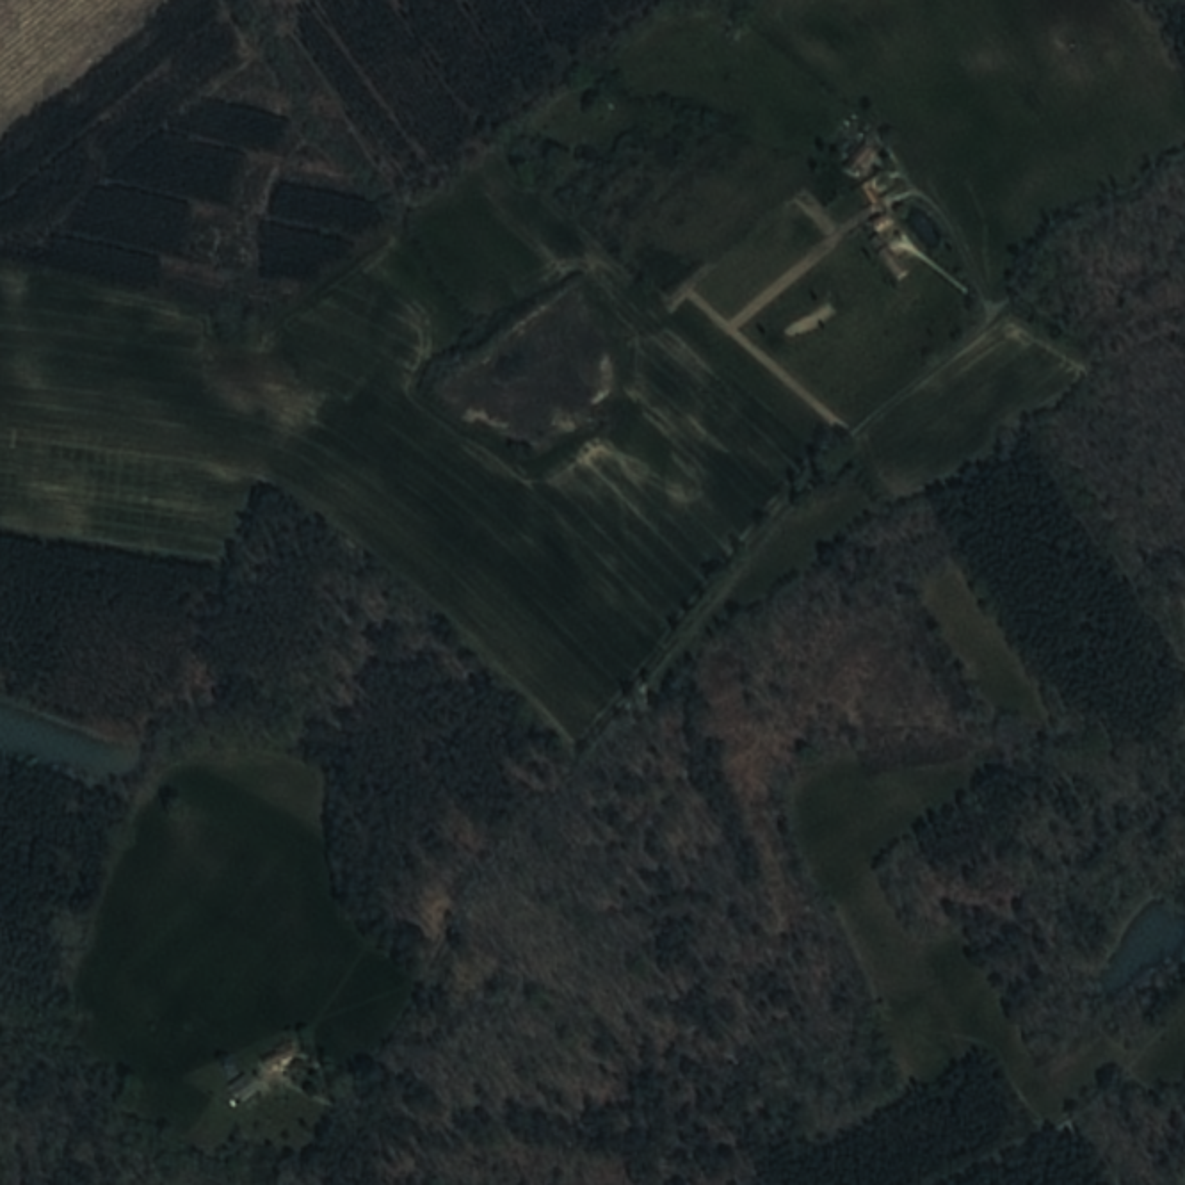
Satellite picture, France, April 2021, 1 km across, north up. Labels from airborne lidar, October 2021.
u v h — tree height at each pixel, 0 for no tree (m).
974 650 0
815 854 0
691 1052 17
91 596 16
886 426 0
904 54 0
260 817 0
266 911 0
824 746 20
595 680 0
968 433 0
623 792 15
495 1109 18
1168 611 19
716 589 14
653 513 0
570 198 10
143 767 7
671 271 0
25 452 0
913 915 16
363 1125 20
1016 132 0
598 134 0
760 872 25
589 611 0
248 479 0
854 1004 14
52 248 9
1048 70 0
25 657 17
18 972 18
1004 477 18
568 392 0
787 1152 19
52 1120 11
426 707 25
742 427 0
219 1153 9
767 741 0
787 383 0
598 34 13
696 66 0
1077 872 18
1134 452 11
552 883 19
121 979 0
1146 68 0
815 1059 16
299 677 18
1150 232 15
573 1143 25
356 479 0
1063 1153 20
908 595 18
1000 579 20
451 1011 18
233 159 12
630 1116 16
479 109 15
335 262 12
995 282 0
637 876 9
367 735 18
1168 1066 0
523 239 0
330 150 10
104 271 11
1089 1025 15
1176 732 12
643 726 17
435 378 6
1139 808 13
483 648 0
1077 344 9
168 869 0
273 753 22
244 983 0
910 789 0
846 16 0
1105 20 0
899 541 12
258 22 20
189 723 21
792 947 12
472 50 14
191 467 0
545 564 0
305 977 0
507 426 0
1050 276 19
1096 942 16
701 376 0
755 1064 18
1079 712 20
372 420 0
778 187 0
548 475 0
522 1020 14
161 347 0
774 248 0
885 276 0
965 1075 13
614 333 0
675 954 17
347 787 24
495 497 0
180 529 0
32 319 0
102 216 10
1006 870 15
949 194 0
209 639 23
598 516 0
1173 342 7
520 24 14
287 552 24
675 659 0
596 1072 18
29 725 0
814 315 0
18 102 0
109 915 0
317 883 0
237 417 0
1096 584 20
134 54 7
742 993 17
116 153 9
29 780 18
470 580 0
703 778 24
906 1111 16
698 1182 24
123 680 14
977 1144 18
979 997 0
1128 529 12
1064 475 19
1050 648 21
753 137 0
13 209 10
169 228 11
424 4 15
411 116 12
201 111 8
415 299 0
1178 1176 18
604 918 12
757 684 14
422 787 25
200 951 0
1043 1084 0
